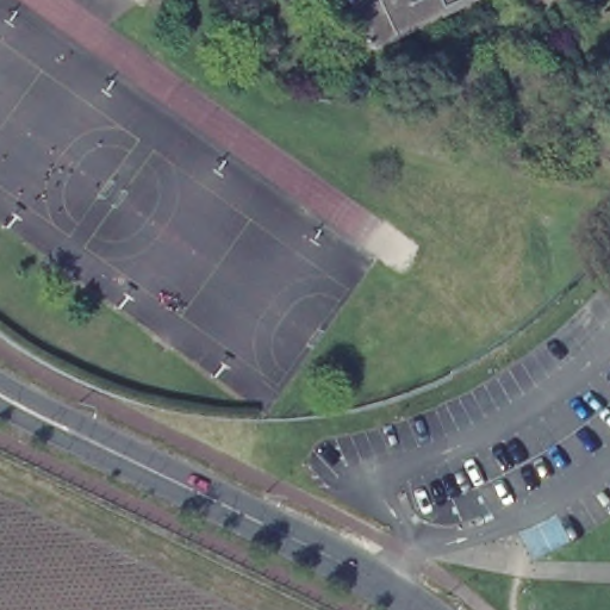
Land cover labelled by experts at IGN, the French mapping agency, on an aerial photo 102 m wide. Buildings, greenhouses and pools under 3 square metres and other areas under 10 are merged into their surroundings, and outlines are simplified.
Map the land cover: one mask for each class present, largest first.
<instances>
[{"label":"impervious surface","instance_id":"1","mask_svg":"<svg viewBox=\"0 0 610 610\"><path fill-rule=\"evenodd\" d=\"M136 2L143 5L145 0H0V222L33 245L29 255L36 257L33 269H60V276L69 279L76 291L86 288L91 281H98L102 288V303H112L117 310L131 315L153 334L167 338L174 350L200 365L210 376L238 391L236 400H260L264 410H260L257 417L267 419V412L274 405V400L288 386L310 348L322 338L326 326L346 305V300L350 298V293L367 274L374 260L369 253H365L362 245L384 222L381 217L367 212L362 205L350 200L346 193L331 188L305 164L295 162L284 150L272 145L264 136L255 133L248 124L234 117L217 100L198 91L193 83L181 79L169 67H164L155 55L150 52H145L143 48H138L136 43L114 31V19L119 14L129 12ZM0 359L62 397L204 460L267 493H276L279 503L298 512H305L322 524L353 531L381 546L379 553H365L307 522L286 519L272 505L253 498L250 493L238 491L219 479H210L195 472L193 467L145 443H138L131 436L119 434L100 422H93L91 417L74 412L67 405L50 400L48 396H41L0 372V450L50 474L52 479H60L64 484H71L74 488L86 491L98 500L112 503L124 512H131L155 524L157 529L174 534L186 543L200 546L212 555L234 562L248 574L276 581L286 591L310 598L315 605H319V610H450L419 586L422 574L467 605H472L474 610H493L467 584L443 572L448 562L522 579L600 584L605 581L610 586V560L605 565L555 562L553 550L569 543L574 536H584L598 522L610 519V291L608 293L593 295L550 341L531 350L524 360L508 367L477 391L453 403H446L431 412L417 415L412 419L353 436L329 438L315 446L310 455V477L317 486L329 491L326 496L310 498L303 491L269 477L262 469L248 467L245 462L226 453H219L203 441H195L176 429H169L126 407L131 398L126 393L105 388L86 376H79L67 367L55 365L45 355L19 343L5 329H0ZM46 443L186 510H195L205 519L255 541L272 546L276 555L272 558L269 567H257L248 555L207 534H198L183 529L176 519L42 453ZM294 560L315 569L307 584L291 579L288 572ZM331 581H343L353 591L346 603H334L324 598L322 591Z\"/></svg>","mask_w":610,"mask_h":610},{"label":"herbaceous vegetation","instance_id":"2","mask_svg":"<svg viewBox=\"0 0 610 610\"><path fill-rule=\"evenodd\" d=\"M160 0H145L143 5L136 2L129 12L119 14L114 19V31L136 43L138 48H143L145 52H150L153 38L148 36V24H155ZM201 45L195 38H191L186 45H179L176 50L162 48L155 55L164 67H169L181 79L193 83L198 91L217 100L234 117L248 124L255 133L264 136L272 145L284 150L295 162L305 164L331 188L346 193L350 200L362 205L367 212L381 217L384 222L393 224L400 234L415 241L417 253L412 257V264L403 272L384 264L381 260H374L367 274L350 293V298L346 300V305L326 326L322 338L310 348L288 386L274 400V405L267 412V419L257 417L200 415L131 398L126 407L169 429H176L195 441H203L219 453H226L245 462L248 467L262 469L269 477L303 491L310 498L326 496L329 491L317 486L310 477V455L315 446L329 438L353 436L412 419L417 415L431 412L446 403H453L477 391L508 367L524 360L531 350L550 341L593 295L608 293L593 279H581L579 272L584 269V260L589 255L579 248L577 241H572V236L577 234L581 222L586 224V212L596 210V205L605 198L610 200V176L596 167L593 176L581 181L543 179L541 183H534L524 176L519 167V145H493L488 153L467 150L465 155H460L441 141V129L436 124L405 126L400 117H391L384 110L372 107L369 100L350 102L348 91L322 98H293L284 88L286 81H276L262 67H257L250 88H241V93L231 95L226 83L212 81L205 74L200 57ZM384 148H398L403 153L405 164L403 176L388 183L386 193H379L372 176V153H379ZM326 369H343L350 381L355 405L348 410L346 417H319L315 412H307L305 407V379H310L315 372ZM33 245L0 222V310H5L12 319L31 329L36 336L50 341L52 346L114 374L169 391L236 400L238 391L210 376L200 365L174 350L167 338L153 334L131 315L117 310L112 303H102V288L98 281H91L86 288L76 291V300H83L88 310L95 312L86 326H71L69 322L57 319L48 312L38 315V303L29 295L19 298L17 288L21 260L29 255ZM0 372L41 396H48L50 400L67 405L74 412L91 417L93 422H100L119 434L131 436L138 443H145L193 467L195 472L210 479H219L238 491L250 493L253 498L272 505L286 519L307 522L365 553H379L381 546L353 531L322 524L305 512H298L279 503L276 493H267L204 460L62 397L0 359ZM42 453L176 519L181 510H186L46 443ZM0 496L41 510L50 515V519L62 522L76 531H88L98 541L114 546L117 550L136 558L138 562H150L164 574L183 579L193 589L217 596L226 605L238 610H319V605H315L310 598L286 591L276 581L248 574L234 562L212 555L200 546L186 543L174 534L157 529L155 524L131 512H124L112 503L98 500L86 491L74 488L71 484H64L60 479H52L50 474L0 450ZM198 534H207L248 555L255 541L205 519ZM555 562L605 565L610 560V519L598 522L584 536H574L569 543L553 550ZM443 572L467 584L493 610H610V586L605 581L600 584L522 579L448 562ZM419 586L450 610H474L472 605H467L422 574Z\"/></svg>","mask_w":610,"mask_h":610},{"label":"deciduous trees","instance_id":"3","mask_svg":"<svg viewBox=\"0 0 610 610\"><path fill-rule=\"evenodd\" d=\"M376 14V0H160L155 24H148V36L153 38L150 52L155 55L162 48L176 50L179 45H186L191 38H195L201 45L200 57L205 74L212 81L226 83L231 95L241 93V88H250L257 67H262L276 81H286L284 88L293 98H322L348 91L350 102L369 100L372 107L384 110L391 117H400L405 126L436 124L441 129V141L460 155H465L467 150L488 153L493 145H519V167L524 176L534 183H541L543 179L581 181L593 176L596 167L610 176V0H479L467 10L453 12L424 29H417L388 43L384 50L372 52L367 50L365 29ZM405 164L403 153L398 148H384L379 153H372V176L379 193H386L388 183L403 176ZM572 241H577L579 248L589 255L584 260V269L579 272L581 279H593L608 293L610 291V200L605 198L596 205V210L586 212V224L581 222L577 234L572 236ZM36 257L29 255L21 260L17 288L19 298L29 295L38 303V315L48 312L57 319L69 322L71 326H86L95 312L88 310L83 300H76V291L69 279L60 276V269H33ZM305 407L307 412H315L319 417H346L348 410L355 405L350 381L343 369H326L315 372L310 379H305ZM183 529L198 534L205 519L195 510H181L176 519ZM276 555L272 546L255 541L248 555L257 567H269L272 558ZM315 569L294 560L288 572L291 579L307 584ZM324 598L334 603H346L353 591L343 581H331L322 591Z\"/></svg>","mask_w":610,"mask_h":610},{"label":"vineyard","instance_id":"4","mask_svg":"<svg viewBox=\"0 0 610 610\"><path fill-rule=\"evenodd\" d=\"M0 610H238L226 605L217 596L193 589L183 579L164 574L150 562H138L136 558L117 550L114 546L98 541L88 531H76L62 522L50 519V515L41 510L0 496Z\"/></svg>","mask_w":610,"mask_h":610},{"label":"brushwood","instance_id":"5","mask_svg":"<svg viewBox=\"0 0 610 610\"><path fill-rule=\"evenodd\" d=\"M0 329H5L19 343L45 355L55 365L67 367L79 376H86L105 388L126 393L131 398L200 415L257 417L260 410H264L260 400H236L169 391L114 374L52 346L50 341L36 336L31 329L12 319L5 310H0Z\"/></svg>","mask_w":610,"mask_h":610},{"label":"building","instance_id":"6","mask_svg":"<svg viewBox=\"0 0 610 610\"><path fill-rule=\"evenodd\" d=\"M479 0H376V14L365 29L367 50L372 52L384 50L388 43L417 29H424L453 12L467 10Z\"/></svg>","mask_w":610,"mask_h":610},{"label":"pervious surface","instance_id":"7","mask_svg":"<svg viewBox=\"0 0 610 610\"><path fill-rule=\"evenodd\" d=\"M365 253H369L374 260H381L384 264L403 272L412 264V257L417 253L415 241L400 234L393 224L384 222L362 245Z\"/></svg>","mask_w":610,"mask_h":610}]
</instances>
